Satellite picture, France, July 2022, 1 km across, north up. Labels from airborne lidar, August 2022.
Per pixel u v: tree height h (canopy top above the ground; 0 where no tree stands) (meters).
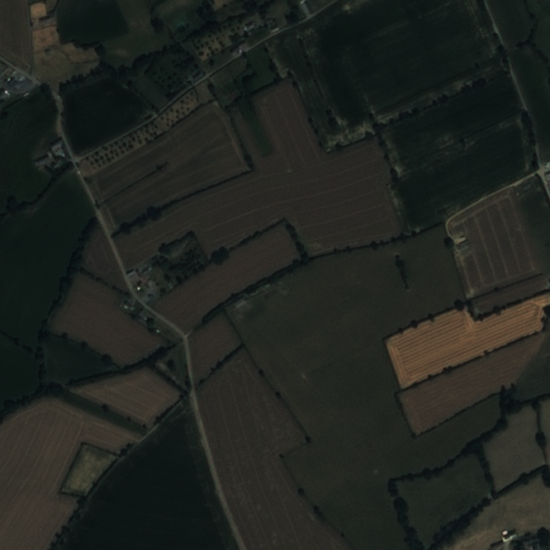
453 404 0
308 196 0
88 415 0
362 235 0
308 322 0
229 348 0
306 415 0
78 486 0
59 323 0
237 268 0
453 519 0
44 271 0
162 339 0
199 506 0
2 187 0
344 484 0
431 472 11
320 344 0
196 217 0
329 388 0
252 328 0
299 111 0
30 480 0
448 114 0
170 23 0
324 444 0
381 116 0
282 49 0
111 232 0
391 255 0
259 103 0
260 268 0
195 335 0
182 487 0
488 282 0
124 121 0
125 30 0
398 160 0
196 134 0
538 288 0
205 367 0
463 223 0
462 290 0
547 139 0
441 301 0
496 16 0
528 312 0
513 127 0
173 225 0
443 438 0
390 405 0
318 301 0
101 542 0
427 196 0
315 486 0
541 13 0
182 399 10
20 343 17
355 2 0
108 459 0
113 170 0
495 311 12
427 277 0
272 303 0
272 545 0
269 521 0
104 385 0
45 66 0
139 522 0
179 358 0
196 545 0
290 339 0
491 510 0
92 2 0
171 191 0
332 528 0
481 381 0
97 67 0
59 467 0
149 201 0
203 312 0
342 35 0
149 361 11
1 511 0
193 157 0
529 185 0
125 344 0
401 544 0
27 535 0
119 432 0
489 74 0
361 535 0
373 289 0
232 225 0
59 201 0
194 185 0
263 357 0
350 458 0
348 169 0
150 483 0
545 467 9
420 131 0
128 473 0
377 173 0
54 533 0
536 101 0
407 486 0
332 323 0
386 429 0
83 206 0
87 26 0
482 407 0
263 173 0
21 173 0
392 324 0
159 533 0
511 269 0
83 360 0
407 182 0
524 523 0
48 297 0
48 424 0
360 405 0
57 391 21
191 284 0
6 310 0
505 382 0
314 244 0
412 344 0
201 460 0
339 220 0
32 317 0
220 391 0
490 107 0
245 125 0
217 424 0
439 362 0
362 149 0
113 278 0
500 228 0
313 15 0
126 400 0
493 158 0
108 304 0
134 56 0
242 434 0
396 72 0
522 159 0
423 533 0
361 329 0
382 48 0
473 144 0
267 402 0
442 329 0
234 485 0
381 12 0
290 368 0
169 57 0
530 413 0
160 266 17
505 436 0
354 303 0
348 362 0
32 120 0
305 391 0
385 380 0
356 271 0
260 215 0
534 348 0
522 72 0
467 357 0
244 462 0
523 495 0
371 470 0
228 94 0
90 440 0
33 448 0
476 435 0
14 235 0
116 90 0
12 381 0
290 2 9
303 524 0
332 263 0
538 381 0
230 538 0
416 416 0
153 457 0
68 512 0
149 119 6
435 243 0
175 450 0
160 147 0
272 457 0
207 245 0
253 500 0
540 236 0
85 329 0
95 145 0
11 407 19
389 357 0
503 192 0
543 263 0
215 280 0
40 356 15
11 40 0
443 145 0
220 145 0
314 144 0
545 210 0
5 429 0
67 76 0
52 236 0
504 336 0
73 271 16
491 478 14
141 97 6
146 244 0
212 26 18
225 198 0
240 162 0
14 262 0
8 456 0
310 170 0
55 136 0
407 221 0
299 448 0
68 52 0
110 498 0
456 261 0
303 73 0
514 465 0
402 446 0
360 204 0
